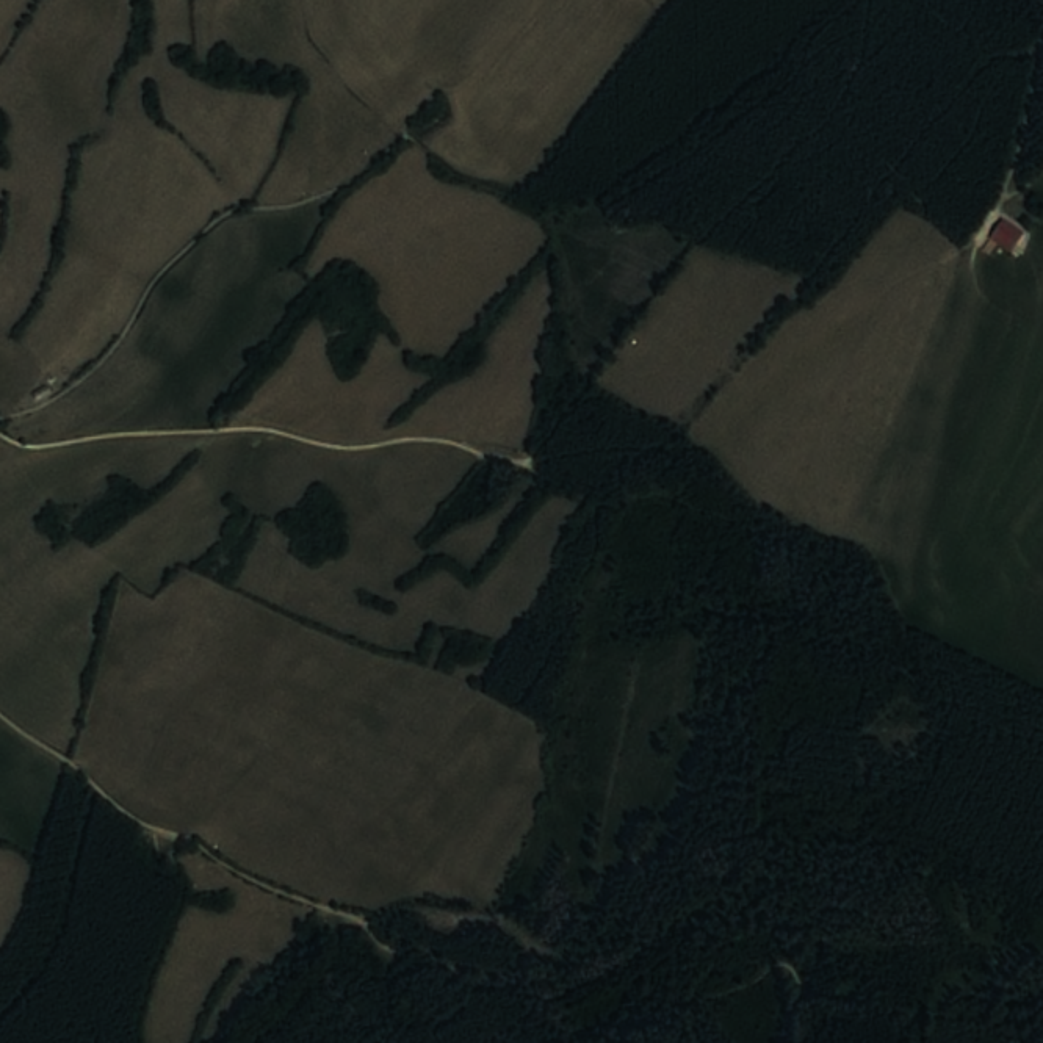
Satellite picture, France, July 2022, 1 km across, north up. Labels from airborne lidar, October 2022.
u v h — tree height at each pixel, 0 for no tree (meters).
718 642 11
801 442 0
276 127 0
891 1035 22
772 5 14
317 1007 16
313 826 0
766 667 23
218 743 0
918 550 0
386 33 0
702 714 11
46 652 0
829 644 15
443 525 11
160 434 0
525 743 0
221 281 0
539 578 0
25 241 0
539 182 14
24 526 0
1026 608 0
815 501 0
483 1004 24
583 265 0
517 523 14
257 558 0
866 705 12
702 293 0
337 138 0
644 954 18
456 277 0
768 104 19
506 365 0
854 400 0
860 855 24
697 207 18
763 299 0
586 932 0
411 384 0
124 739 0
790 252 16
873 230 14
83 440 0
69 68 0
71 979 18
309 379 0
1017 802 16
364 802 0
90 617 0
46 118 0
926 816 17
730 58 14
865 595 23
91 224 0
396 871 0
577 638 18
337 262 7
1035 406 0
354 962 16
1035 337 0
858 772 13
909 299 0
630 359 0
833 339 0
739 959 7
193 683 0
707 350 0
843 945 40
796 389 0
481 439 0
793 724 7
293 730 0
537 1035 19
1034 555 0
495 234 0
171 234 0
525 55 0
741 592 14
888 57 19
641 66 13
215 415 12
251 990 14
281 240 0
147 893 17
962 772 18
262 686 0
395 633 0
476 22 0
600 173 16
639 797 0
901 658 13
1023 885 16
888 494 0
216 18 0
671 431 13
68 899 10
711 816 27
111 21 0
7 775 0
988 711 12
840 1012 22
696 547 10
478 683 13
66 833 17
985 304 0
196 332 0
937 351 0
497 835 0
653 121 15
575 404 12
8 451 0
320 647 0
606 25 0
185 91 0
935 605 0
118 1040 17
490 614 0
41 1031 17
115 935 19
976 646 0
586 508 11
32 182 0
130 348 0
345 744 0
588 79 0
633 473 20
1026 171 18
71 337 0
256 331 0
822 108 18
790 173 16
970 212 15
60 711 0
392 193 0
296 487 0
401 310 0
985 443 0
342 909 7
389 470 0
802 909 13
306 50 0
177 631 0
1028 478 0
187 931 0
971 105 20
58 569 0
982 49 15
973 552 0
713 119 22
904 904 35
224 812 0
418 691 0
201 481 0
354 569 0
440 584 0
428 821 0
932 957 8
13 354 0
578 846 0
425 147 0
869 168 17
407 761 0
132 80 0
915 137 20
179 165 0
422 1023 20
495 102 0
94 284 0
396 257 0
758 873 29
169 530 0
